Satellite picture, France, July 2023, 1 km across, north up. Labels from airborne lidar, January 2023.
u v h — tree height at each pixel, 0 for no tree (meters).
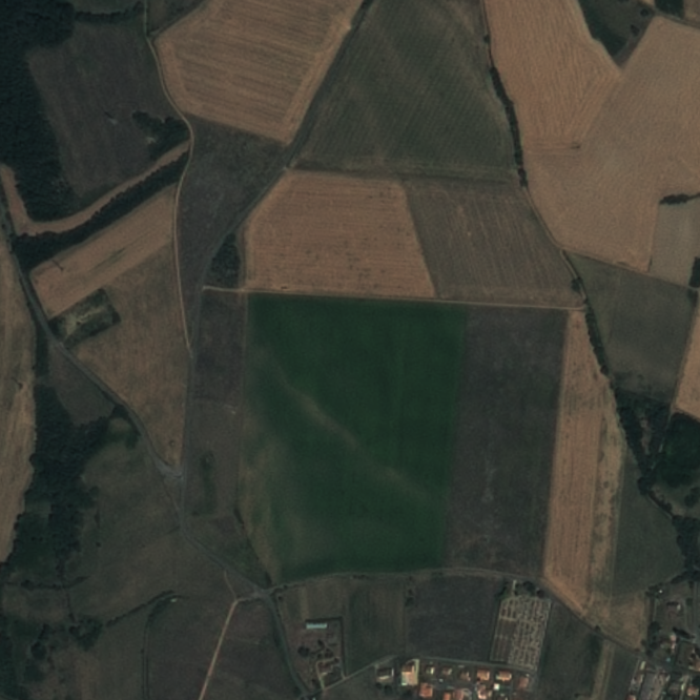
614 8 0
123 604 0
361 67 0
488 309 0
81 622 8
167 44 0
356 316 0
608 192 0
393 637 0
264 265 0
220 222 0
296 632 0
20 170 18
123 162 0
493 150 0
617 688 0
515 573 0
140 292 0
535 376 0
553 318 0
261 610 0
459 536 0
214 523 0
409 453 0
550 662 0
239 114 0
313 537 0
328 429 0
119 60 0
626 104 0
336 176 0
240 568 0
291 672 0
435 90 0
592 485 0
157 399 0
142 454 0
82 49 0
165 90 0
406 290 0
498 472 0
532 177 0
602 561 0
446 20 0
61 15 21
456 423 0
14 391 0
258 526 0
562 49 0
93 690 0
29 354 0
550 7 0
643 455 16
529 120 0
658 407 7
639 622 0
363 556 0
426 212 0
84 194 0
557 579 0
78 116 0
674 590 0
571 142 0
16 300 0
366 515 0
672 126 0
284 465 0
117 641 0
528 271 0
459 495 0
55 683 0
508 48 0
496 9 0
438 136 0
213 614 0
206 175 0
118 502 0
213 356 0
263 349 0
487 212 0
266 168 0
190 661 0
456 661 0
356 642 0
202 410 0
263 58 0
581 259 0
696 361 0
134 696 0
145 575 0
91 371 0
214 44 0
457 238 0
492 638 0
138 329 0
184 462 0
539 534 0
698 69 0
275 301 0
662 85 0
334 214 0
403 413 0
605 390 0
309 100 0
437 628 0
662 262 0
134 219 0
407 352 0
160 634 0
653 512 0
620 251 0
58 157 9
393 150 0
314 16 0
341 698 0
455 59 0
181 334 0
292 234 0
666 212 0
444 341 0
